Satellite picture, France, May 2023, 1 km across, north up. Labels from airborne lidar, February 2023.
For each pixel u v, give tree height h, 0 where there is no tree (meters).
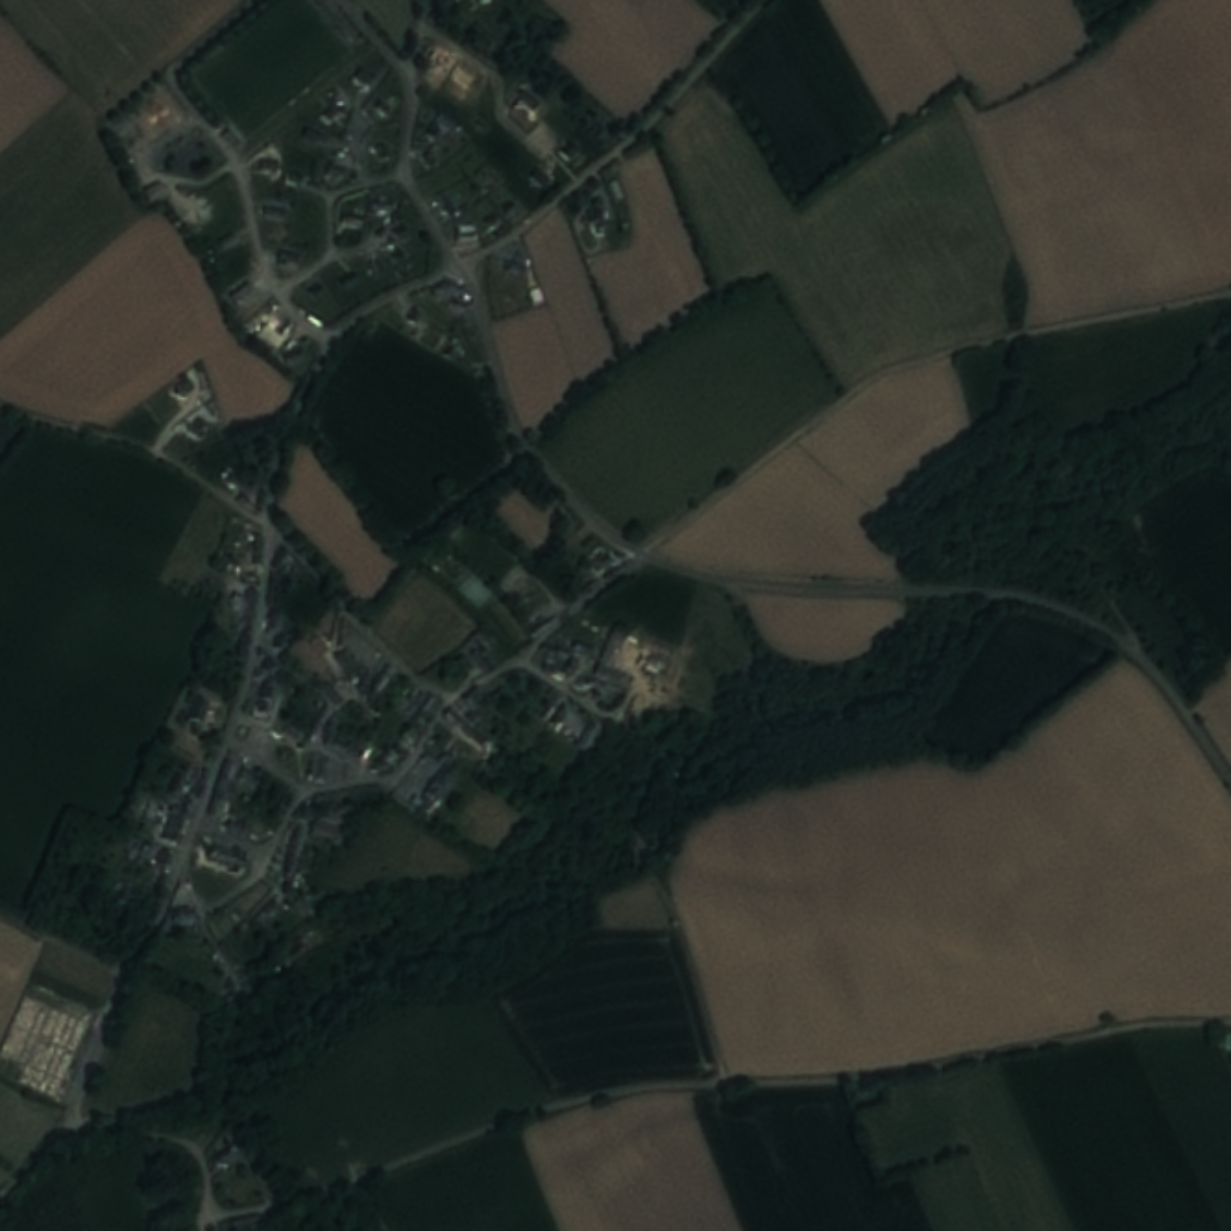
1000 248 0
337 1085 0
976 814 0
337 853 6
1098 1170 0
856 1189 0
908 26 0
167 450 0
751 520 0
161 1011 0
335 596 11
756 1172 0
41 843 0
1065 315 0
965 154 0
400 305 0
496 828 0
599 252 0
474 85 0
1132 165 0
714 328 0
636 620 0
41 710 0
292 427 15
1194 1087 0
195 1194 0
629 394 0
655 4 0
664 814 19
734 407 0
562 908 14
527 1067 0
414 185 0
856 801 0
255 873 0
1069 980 0
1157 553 0
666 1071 0
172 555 0
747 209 0
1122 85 0
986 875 0
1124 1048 0
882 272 0
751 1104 0
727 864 0
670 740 19
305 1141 0
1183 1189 0
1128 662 0
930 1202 0
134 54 0
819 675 13
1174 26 0
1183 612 13
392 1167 0
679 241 0
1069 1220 0
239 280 0
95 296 0
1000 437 19
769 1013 0
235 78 0
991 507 6
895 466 0
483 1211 0
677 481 0
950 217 0
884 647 19
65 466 0
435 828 9
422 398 0
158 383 0
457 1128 0
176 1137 15
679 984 0
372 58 0
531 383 0
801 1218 0
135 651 0
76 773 0
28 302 0
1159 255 0
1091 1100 0
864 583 0
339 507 0
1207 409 13
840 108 0
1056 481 8
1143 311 0
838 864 0
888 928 0
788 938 0
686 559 0
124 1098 0
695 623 0
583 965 0
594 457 0
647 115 7
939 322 0
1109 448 18
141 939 7
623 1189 0
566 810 10
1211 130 0
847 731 24
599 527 0
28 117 0
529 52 16
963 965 0
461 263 0
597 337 0
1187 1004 0
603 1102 9
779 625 0
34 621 0
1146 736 0
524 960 20
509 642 0
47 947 0
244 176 0
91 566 0
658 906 0
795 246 0
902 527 22
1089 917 0
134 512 0
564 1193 0
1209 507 0
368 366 0
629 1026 0
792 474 0
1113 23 8
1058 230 0
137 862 0
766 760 24
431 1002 13
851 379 0
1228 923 0
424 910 22
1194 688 18
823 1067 0
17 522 0
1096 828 0
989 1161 0
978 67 0
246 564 0
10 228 0
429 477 0
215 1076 17
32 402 0
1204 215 0
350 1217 19
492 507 19
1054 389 0
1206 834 0
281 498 10
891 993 0
